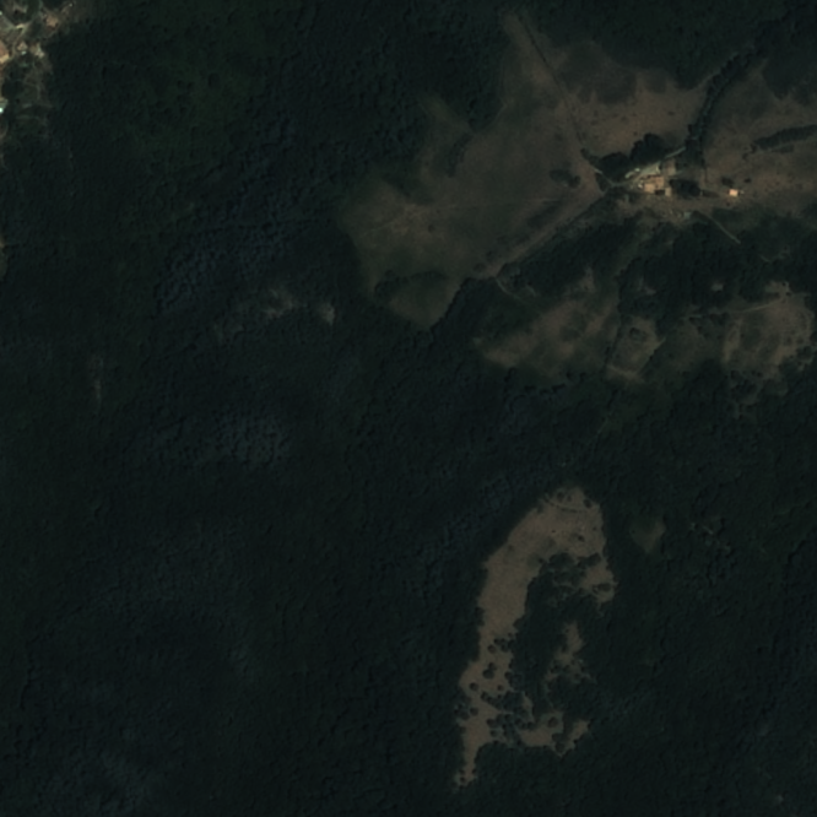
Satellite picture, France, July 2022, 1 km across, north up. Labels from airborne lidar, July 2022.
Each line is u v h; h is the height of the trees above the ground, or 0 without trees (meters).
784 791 8
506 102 0
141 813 21
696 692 19
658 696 13
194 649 18
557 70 0
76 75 13
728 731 18
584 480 10
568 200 0
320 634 24
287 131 20
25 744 21
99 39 13
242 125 8
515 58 0
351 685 10
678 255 10
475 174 0
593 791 15
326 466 26
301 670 12
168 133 6
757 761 10
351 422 11
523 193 0
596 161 7
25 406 15
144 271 10
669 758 13
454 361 16
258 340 10
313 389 9
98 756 20
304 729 19
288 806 17
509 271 13
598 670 12
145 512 18
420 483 15
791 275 16
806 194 0
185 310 13
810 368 7
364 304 15
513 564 0
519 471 18
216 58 8
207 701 19
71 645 17
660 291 7
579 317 0
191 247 11
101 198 15
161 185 11
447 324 20
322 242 12
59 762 22
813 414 20
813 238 5
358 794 25
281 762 28
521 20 7
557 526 0
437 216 0
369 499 15
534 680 11
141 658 18
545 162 0
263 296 8
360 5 14
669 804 21
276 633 16
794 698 14
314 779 24
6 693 27
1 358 15
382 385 17
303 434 21
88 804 23
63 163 10
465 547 13
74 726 21
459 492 16
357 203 0
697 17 7
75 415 15
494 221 0
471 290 6
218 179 22
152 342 16
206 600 8
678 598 21
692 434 14
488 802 20
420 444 17
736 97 0
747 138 0
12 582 15
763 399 7
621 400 6
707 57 5
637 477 14
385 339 11
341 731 27
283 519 17
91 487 14
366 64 11
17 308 16
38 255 17
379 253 0
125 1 11
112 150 15
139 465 13
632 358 0
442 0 6
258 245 23
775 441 20
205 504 12
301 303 6
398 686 18
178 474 13
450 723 8
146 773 22
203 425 14
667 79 0
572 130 0
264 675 17
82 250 17
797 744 11
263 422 18
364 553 14
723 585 20
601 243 10
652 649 10
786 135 7
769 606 25
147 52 17
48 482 13
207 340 8
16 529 12
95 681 20
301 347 7
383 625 27
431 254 0
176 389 15
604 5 18
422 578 11
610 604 8
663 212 0
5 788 22
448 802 12
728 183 8
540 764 11
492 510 15
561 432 10
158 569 10
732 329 0
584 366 0
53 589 18
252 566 19
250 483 20
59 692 24
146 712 18
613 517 17
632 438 7
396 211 0
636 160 12
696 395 12
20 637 16
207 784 18
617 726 18
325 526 22
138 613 14
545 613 9
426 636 12
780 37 21
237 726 20
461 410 18
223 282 17
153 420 17
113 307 18
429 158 0
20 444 15
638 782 18
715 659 14
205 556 6
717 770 13
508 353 0
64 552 14
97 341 17
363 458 13
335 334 13
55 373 22
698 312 8
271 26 11
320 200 8
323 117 19
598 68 0
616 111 0
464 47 7
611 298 0
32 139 10
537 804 21
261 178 12
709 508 27
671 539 17
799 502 17
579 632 6
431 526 19
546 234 0
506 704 10
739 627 21
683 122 0
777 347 0
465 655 11
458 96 16
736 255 11
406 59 12
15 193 17
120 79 18
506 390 15
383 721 14
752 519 20
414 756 18
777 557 6
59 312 20
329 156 8
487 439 7
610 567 7
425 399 14
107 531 10
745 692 25
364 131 12
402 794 25
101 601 11
